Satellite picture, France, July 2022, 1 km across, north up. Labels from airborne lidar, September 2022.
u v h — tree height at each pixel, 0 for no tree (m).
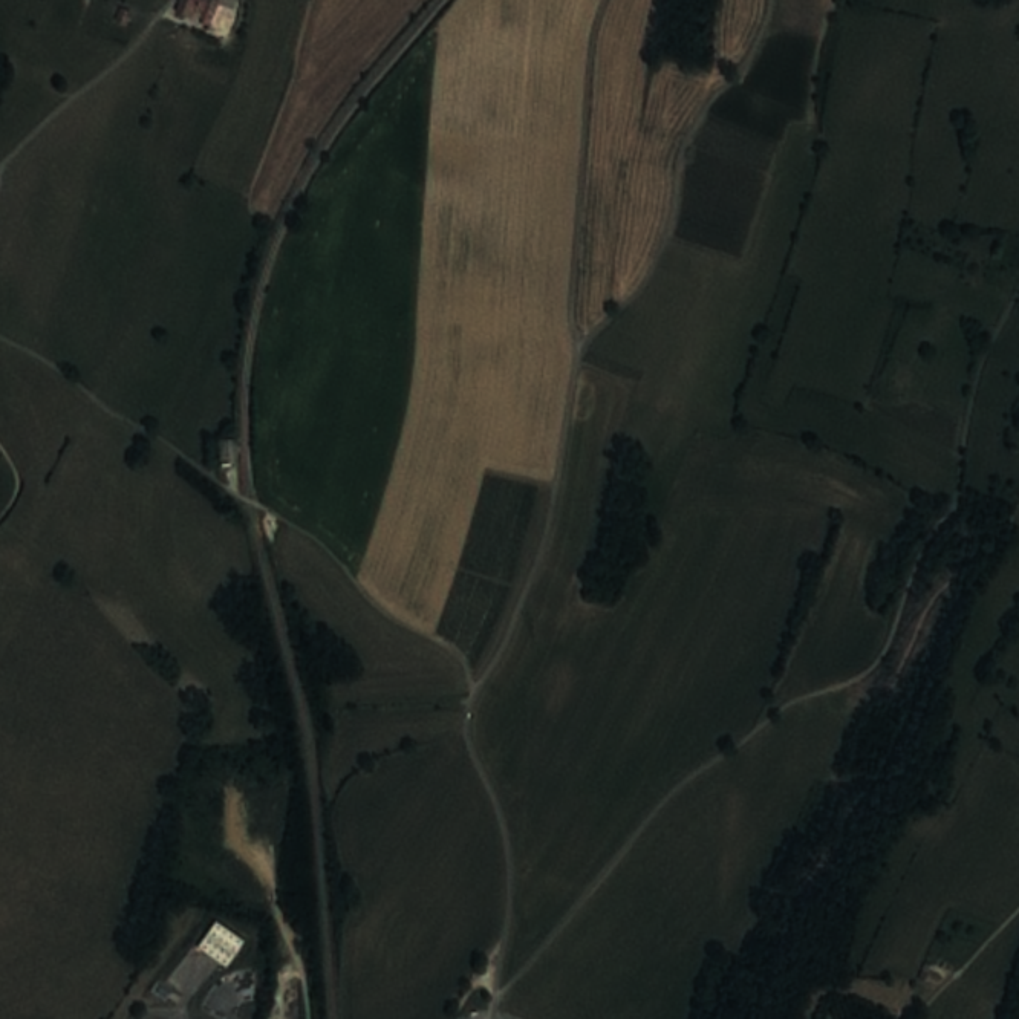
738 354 0
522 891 0
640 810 0
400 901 0
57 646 0
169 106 0
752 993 26
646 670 0
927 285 0
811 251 0
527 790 0
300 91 0
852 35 0
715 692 0
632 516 17
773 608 0
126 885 0
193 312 0
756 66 0
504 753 0
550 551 0
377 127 0
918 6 0
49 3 0
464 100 0
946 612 7
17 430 0
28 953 0
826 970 19
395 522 0
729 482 0
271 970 10
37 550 0
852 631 0
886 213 0
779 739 0
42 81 0
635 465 22
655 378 0
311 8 0
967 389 9
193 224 0
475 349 0
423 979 0
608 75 0
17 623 0
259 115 0
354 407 0
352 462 0
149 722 0
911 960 0
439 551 0
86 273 0
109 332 0
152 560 0
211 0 0
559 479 0
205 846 0
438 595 0
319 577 0
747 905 0
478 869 0
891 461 0
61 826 0
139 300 0
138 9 0
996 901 0
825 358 0
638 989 0
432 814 0
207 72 0
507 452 0
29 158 0
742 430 13
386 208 0
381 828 0
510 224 0
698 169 0
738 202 0
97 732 0
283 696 14
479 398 0
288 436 0
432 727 0
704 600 0
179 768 7
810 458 0
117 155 0
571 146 0
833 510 9
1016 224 0
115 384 0
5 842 0
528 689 0
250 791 0
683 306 0
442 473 0
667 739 0
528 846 0
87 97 0
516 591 0
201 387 0
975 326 9
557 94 0
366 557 0
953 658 18
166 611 0
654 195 0
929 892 0
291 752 8
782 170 0
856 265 0
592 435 0
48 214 0
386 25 0
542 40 0
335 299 0
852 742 18
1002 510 9
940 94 0
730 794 0
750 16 0
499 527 0
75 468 0
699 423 0
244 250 0
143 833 0
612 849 0
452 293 0
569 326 0
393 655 0
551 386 0
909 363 0
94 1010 0
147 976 0
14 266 0
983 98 0
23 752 0
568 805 0
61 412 0
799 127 0
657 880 0
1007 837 0
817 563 16
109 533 0
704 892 0
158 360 0
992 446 0
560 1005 0
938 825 0
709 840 0
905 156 0
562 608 0
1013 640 17
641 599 0
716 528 0
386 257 0
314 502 0
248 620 24
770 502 0
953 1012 0
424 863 0
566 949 0
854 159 0
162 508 0
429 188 0
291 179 0
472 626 0
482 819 0
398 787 0
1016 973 10
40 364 0
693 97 0
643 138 0
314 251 0
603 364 0
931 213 0
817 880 29
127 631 0
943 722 20
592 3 0
